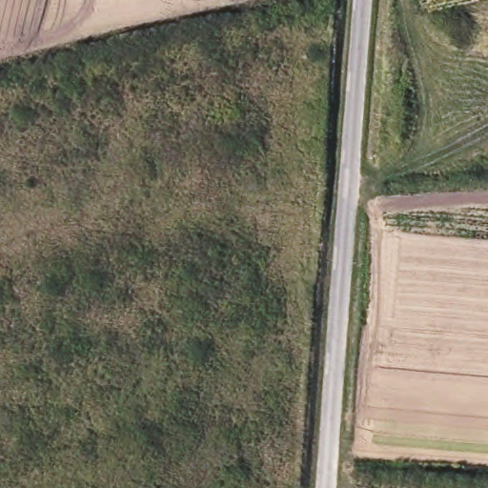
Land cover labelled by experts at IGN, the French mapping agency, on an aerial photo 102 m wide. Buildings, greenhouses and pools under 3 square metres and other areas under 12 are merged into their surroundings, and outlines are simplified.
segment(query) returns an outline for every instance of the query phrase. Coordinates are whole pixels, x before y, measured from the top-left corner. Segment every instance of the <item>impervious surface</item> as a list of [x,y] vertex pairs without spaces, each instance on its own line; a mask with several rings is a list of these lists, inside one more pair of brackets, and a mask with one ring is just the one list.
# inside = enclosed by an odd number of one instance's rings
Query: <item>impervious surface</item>
[[337,488],[341,410],[356,206],[362,181],[360,145],[364,122],[372,0],[353,0],[335,198],[334,255],[328,303],[315,488]]

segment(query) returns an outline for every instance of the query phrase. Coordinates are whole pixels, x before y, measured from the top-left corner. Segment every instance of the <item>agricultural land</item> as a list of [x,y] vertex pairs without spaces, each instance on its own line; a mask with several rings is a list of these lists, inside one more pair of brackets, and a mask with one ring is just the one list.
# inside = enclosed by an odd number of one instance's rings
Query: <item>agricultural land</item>
[[425,8],[433,10],[467,6],[478,0],[425,0]]
[[488,465],[488,191],[478,189],[457,193],[391,194],[377,196],[368,202],[372,254],[370,305],[360,345],[356,406],[356,433],[353,442],[353,454],[356,457],[442,459]]
[[67,46],[76,40],[105,34],[111,30],[151,23],[158,19],[170,19],[194,11],[238,6],[254,0],[0,0],[0,61],[19,55],[32,55],[36,51],[50,50],[57,46]]

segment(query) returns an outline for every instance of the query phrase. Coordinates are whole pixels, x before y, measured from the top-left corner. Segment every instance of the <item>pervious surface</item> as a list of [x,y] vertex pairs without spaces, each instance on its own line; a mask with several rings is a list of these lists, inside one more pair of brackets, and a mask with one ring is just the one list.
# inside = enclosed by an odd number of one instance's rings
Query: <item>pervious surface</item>
[[356,406],[353,406],[351,412],[341,410],[337,488],[368,488],[366,478],[355,469],[356,457],[353,454],[353,442],[356,433]]

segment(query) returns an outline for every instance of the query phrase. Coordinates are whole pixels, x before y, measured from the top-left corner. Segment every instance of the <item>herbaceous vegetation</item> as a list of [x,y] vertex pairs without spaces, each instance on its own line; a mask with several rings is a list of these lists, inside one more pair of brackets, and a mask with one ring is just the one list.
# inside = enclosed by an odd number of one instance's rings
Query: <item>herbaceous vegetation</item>
[[305,34],[303,30],[294,27],[278,27],[271,32],[259,29],[257,25],[244,29],[225,29],[225,50],[236,50],[236,53],[240,53],[238,71],[229,71],[227,67],[215,65],[204,53],[200,53],[194,44],[173,44],[170,50],[166,50],[164,46],[162,50],[149,57],[151,71],[147,72],[147,76],[126,78],[120,86],[126,109],[118,118],[97,112],[99,103],[88,97],[86,107],[72,101],[72,111],[67,114],[53,112],[51,116],[38,116],[34,122],[15,124],[11,120],[11,112],[15,111],[15,103],[23,101],[25,91],[21,88],[0,88],[0,488],[299,488],[313,313],[311,303],[318,265],[320,219],[324,212],[326,187],[326,120],[330,82],[328,57],[330,44],[335,38],[334,29],[322,25]]
[[467,6],[478,23],[477,42],[471,48],[457,48],[452,44],[448,34],[435,29],[431,23],[433,10],[425,8],[425,0],[372,0],[364,122],[360,145],[362,181],[356,206],[341,410],[351,412],[353,406],[356,406],[360,345],[370,305],[372,254],[368,202],[377,196],[391,194],[457,193],[478,189],[488,191],[488,0],[478,0]]

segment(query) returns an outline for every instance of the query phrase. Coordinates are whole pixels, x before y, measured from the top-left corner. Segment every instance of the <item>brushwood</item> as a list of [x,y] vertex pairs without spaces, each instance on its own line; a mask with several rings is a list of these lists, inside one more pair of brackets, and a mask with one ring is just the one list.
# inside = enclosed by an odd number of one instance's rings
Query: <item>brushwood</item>
[[478,23],[467,6],[433,10],[431,23],[435,29],[448,34],[452,44],[457,48],[471,48],[477,42]]
[[162,50],[164,46],[166,50],[170,50],[173,44],[194,44],[200,53],[204,53],[215,65],[227,67],[229,71],[238,71],[240,53],[236,53],[236,50],[225,50],[225,29],[244,29],[257,25],[259,29],[271,32],[278,27],[294,27],[303,30],[305,34],[322,25],[334,29],[335,38],[330,44],[328,57],[330,82],[326,120],[326,187],[324,212],[320,219],[318,265],[311,303],[313,313],[299,488],[315,488],[328,303],[334,255],[335,198],[353,0],[254,0],[238,6],[194,11],[170,19],[158,19],[151,23],[111,30],[105,34],[76,40],[67,46],[57,46],[50,50],[36,51],[32,55],[19,55],[0,61],[0,88],[21,88],[25,91],[23,101],[15,103],[15,111],[11,112],[11,120],[15,124],[34,122],[38,116],[51,116],[53,112],[67,114],[72,111],[72,101],[86,107],[88,97],[99,103],[97,112],[118,118],[126,109],[120,86],[126,78],[147,76],[147,72],[151,71],[149,57]]
[[368,488],[488,488],[488,465],[442,459],[356,457],[355,469],[366,478]]

